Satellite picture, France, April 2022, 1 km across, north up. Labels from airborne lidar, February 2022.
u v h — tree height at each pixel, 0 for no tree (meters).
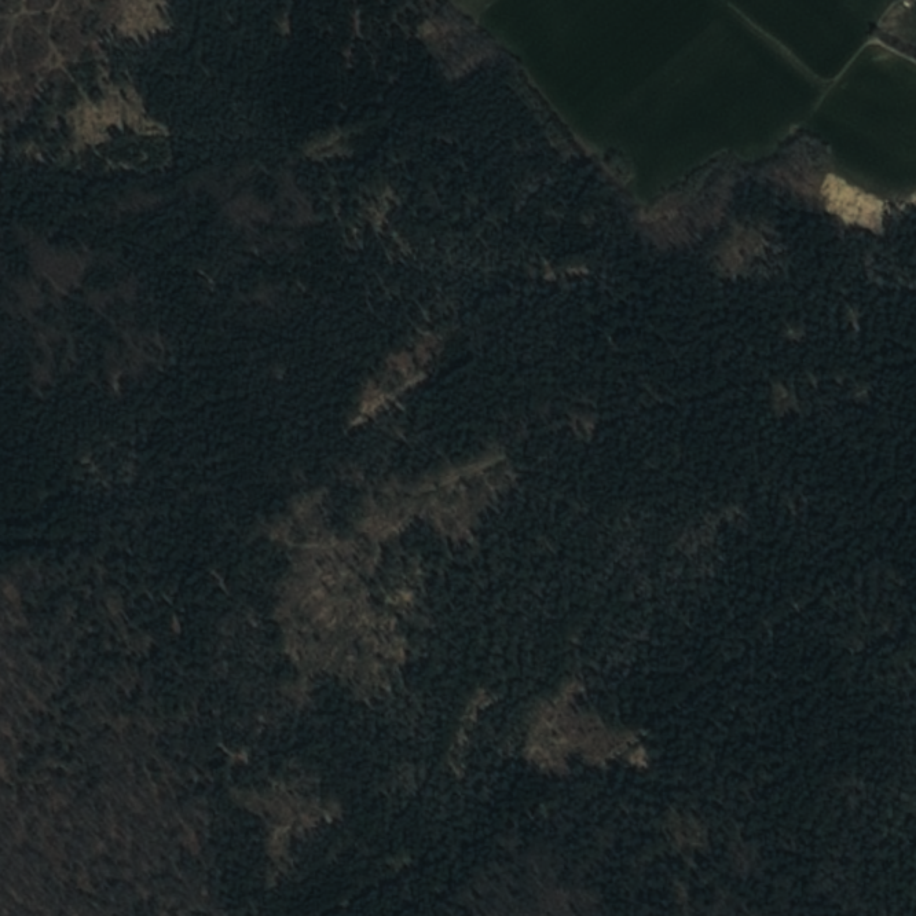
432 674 28
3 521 23
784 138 0
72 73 7
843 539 25
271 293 16
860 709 22
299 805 26
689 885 28
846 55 0
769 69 0
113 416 20
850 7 0
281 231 14
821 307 22
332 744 25
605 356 32
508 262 17
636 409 23
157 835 26
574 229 15
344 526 22
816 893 25
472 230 16
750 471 30
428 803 22
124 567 33
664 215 0
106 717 22
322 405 20
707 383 28
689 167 0
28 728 27
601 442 17
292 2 22
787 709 26
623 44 0
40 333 14
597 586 23
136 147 6
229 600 26
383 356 16
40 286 18
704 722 30
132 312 18
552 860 25
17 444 28
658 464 30
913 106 0
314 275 11
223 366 13
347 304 19
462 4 0
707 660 28
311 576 0
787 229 26
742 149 0
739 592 26
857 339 30
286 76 14
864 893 23
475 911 25
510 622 24
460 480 0
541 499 21
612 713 27
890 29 0
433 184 14
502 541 29
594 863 29
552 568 27
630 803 32
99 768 26
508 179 28
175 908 28
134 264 20
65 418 23
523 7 0
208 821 24
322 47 22
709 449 34
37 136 29
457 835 11
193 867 30
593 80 0
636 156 0
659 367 31
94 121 0
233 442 24
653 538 21
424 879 27
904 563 27
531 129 23
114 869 28
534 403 22
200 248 24
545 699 17
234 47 30
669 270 28
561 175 20
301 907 15
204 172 24
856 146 0
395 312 20
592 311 28
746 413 23
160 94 26
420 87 17
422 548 19
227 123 19
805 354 23
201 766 18
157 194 21
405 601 0
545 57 0
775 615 23
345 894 18
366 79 12
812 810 27
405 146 26
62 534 32
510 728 23
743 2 0
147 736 19
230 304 21
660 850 31
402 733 20
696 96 0
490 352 14
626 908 29
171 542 25
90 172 6
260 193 15
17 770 29
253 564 17
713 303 29
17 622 27
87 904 26
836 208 0
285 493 13
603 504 28
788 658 30
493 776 10
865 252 18
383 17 9
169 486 23
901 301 29
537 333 26
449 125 18
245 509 27
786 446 27
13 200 26
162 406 20
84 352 20
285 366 20
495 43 22
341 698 19
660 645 24
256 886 23
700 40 0
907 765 25
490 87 26
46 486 29
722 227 19
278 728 20
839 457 30
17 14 0
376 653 0
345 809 18
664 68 0
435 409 26
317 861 19
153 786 21
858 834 20
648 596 17
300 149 25
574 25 0
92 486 22
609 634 16
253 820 19
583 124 0
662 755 23
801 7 0
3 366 25
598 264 25
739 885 24
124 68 24
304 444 23
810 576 25
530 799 29
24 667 29
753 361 26
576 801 26
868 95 0
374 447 20
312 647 27
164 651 26
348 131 29
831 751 15
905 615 8
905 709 23
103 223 19
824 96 0
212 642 23
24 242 17
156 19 0
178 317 24
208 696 14
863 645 20
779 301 24
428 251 12
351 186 24
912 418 27
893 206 0
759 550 23
